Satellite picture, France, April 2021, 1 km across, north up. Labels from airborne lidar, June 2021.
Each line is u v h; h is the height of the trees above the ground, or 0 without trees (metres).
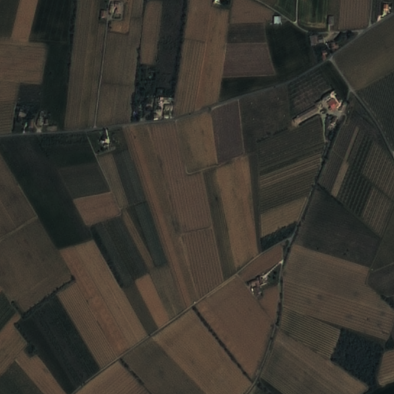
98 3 0
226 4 9
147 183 0
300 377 0
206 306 0
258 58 0
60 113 0
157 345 0
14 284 0
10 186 0
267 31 0
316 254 0
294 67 0
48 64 0
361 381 9
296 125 0
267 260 0
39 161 0
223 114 0
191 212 0
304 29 0
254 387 0
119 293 0
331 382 0
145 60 0
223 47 0
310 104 8
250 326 0
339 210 0
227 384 0
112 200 0
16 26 0
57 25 0
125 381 0
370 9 0
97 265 0
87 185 0
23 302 0
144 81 9
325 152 10
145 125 0
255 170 0
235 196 0
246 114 0
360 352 10
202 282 0
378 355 13
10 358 0
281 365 0
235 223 0
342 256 0
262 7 0
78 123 0
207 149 0
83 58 0
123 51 0
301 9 0
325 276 0
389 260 0
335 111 0
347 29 0
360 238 0
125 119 0
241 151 0
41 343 0
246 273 0
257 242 0
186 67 0
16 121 6
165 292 0
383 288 0
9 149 0
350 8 0
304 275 0
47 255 0
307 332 0
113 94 0
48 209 0
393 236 0
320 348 0
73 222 0
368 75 0
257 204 0
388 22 0
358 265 0
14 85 0
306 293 0
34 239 0
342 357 6
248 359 0
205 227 0
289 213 0
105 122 0
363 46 0
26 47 0
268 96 0
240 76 0
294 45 0
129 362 0
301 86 8
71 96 0
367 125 8
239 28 0
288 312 0
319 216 0
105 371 0
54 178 0
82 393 0
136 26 0
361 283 0
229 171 0
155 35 0
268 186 0
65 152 0
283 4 0
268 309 0
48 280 0
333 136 7
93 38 0
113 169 0
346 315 0
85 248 0
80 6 0
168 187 0
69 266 0
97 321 0
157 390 0
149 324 0
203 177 0
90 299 0
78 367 0
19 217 0
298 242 0
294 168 0
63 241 0
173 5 0
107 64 0
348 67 0
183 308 0
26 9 0
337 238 0
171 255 0
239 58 0
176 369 0
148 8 0
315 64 0
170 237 0
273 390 0
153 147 0
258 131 0
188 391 0
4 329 0
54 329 0
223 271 0
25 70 0
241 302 0
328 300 0
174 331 0
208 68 0
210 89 0
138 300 0
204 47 0
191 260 0
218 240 0
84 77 0
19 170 0
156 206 0
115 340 0
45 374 0
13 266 0
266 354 0
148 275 0
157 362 0
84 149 0
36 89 0
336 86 0
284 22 0
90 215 0
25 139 0
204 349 0
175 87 10
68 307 0
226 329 0
